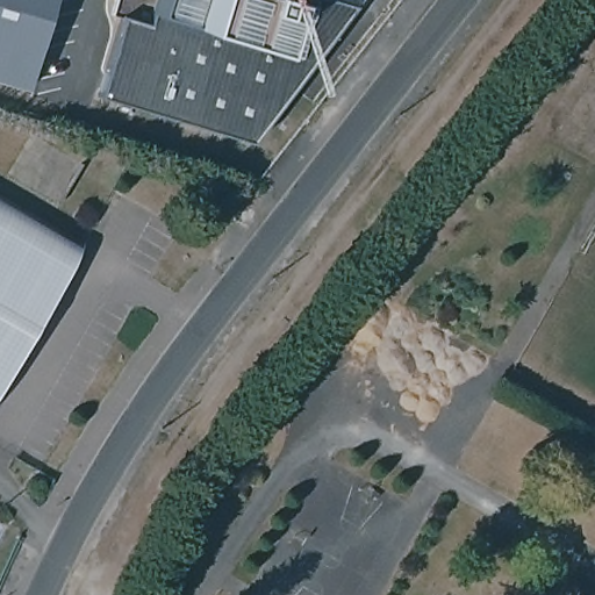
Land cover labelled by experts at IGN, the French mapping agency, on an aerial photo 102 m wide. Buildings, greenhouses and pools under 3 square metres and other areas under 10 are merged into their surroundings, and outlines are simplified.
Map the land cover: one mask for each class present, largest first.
<instances>
[{"label":"impervious surface","instance_id":"1","mask_svg":"<svg viewBox=\"0 0 595 595\"><path fill-rule=\"evenodd\" d=\"M476 0H374V5L367 12L358 9L353 23L328 53H323L321 44L314 46L318 72L304 84L302 91H298V98L288 109H284V121H288V116L295 112L304 95H316V91L325 88L330 105L325 107L321 121L311 128V132L302 130L279 160L267 158L265 151L258 149H251L246 139H239L235 144L230 139H212L207 137L209 130L200 126L184 123L179 128L165 121H156V112L119 105L114 102V93H105V88H98L100 74L109 70L107 65L116 40L121 0H63L58 23L44 63L40 67L33 95L23 98L16 95V91L0 88V109L35 121H49L58 116L86 130H107L112 137H130L137 144L156 146L160 153L202 158L218 167H232L237 172L251 174L253 179L265 174L270 179V188L265 193H258L251 205L239 214V218H232L225 225L221 237L214 239L209 246L212 251L198 267L193 284H186L181 291L174 293L156 281V270L160 267V251L172 237L163 221V214L153 216L139 209L137 205L123 200L121 195H112V200L107 202V212L98 221L95 230L102 235V244L93 258V265L51 339L42 337L37 339L35 349L30 351L23 367L19 370L12 386L0 400V523L14 518L19 528V544L0 579V595H58L67 574H72L77 553L95 516L105 507L109 493L114 490L123 467L151 430L165 402L179 388L186 372L202 356L207 344L214 342L218 330L230 318V314L237 309V304L263 277L267 265L309 221L321 198L335 186L342 172L349 167V163L356 158V153L363 149L365 139L374 132L379 121L388 114L395 100L411 84V79L430 60L435 49L446 40L456 23H460V19ZM146 307L156 311L158 321L137 349L139 353L128 365L123 379L114 386L109 397H105L98 404V411L84 423L86 432L72 460L60 472V479L51 490L44 504H35V500H28L26 495L21 486L14 481L9 467L19 460L21 451L44 463L49 460L51 451L58 444V435L65 425V418L72 416V411L81 402H88L86 395L91 386L86 381L93 374V367L107 358L109 342L119 337L132 309ZM595 232V191L588 198L581 216H576L572 237L565 239L562 249L558 251L542 284L537 286L535 302L523 309L518 323L509 325L504 351L497 358H493L488 370L472 377L469 381L453 386L451 402L439 409L437 418L430 421L425 430L418 425L421 421L416 418V414L407 411L400 404L397 390L390 388L388 379L381 374L379 367L353 372L342 360L337 370L328 374V379L307 397L304 411L298 414L293 423L274 432L272 442L265 446V456L246 460L244 465H230L228 472L232 474V479L225 488V495L216 500V507L207 516H202L205 551L184 576L181 595H388L395 586V579H400L402 560L414 551L418 528L430 521L442 493L456 490L458 500L479 507L486 514L476 523L474 532L481 539L490 542V551L495 555H502L507 560L514 558V549L525 539H539L542 549H558L562 562L567 565V576H562L560 581L569 595H595V553L586 546L579 525H544L537 518L521 514V509L514 504H509L497 493H490L483 483L469 479L460 463L463 449L479 428L486 409L490 407V400L493 386L507 379V367L518 365L523 353L532 349L544 314L553 309V298L562 288L572 256L583 253L588 235ZM353 449L358 456L367 458L386 472L390 469L404 483H411V488L402 493L400 500H395L381 486L370 483L344 469V453H351ZM281 495H286V507L277 511L272 530H267L263 537L270 544V551H256L249 555L253 565H263V576L253 581L249 588H244L237 579V567L244 546L253 539L256 528L265 523L267 511L274 507V502H279Z\"/></svg>","mask_w":595,"mask_h":595},{"label":"herbaceous vegetation","instance_id":"2","mask_svg":"<svg viewBox=\"0 0 595 595\"><path fill-rule=\"evenodd\" d=\"M544 0H476L460 19V23H456L446 40L435 49L430 60L411 79V84L395 100L388 114L379 121L374 132L365 139L363 149L356 153V158L349 163V167L342 172L335 186L321 198L309 221L267 265L263 277L237 304V309L230 314V318L218 330L214 342L207 344L202 356L186 372L179 388L165 402L151 430L123 467L114 490L109 493L105 507L95 516L77 553L72 574H67L58 595H114L116 581L139 542L151 507L163 493L165 476L179 465L186 451L198 446L207 437L218 409L237 390L242 374L258 360V356L265 349H272L288 328H293V323L300 318L318 286L323 284L328 270L335 265V260L353 244V239L360 232L377 223L390 195L404 184L414 165L425 156L428 146L437 139L439 130L453 119L465 98L483 79L490 63L539 12ZM535 174L560 188V195H555L549 205L528 202V186L530 177ZM595 191V40L583 51L581 65L574 70L572 79L558 86L555 93H549L544 98L542 107L525 126V132L509 144L504 158L497 165H493L488 174L474 186V195H469L458 207V212L446 218L442 230L430 225L425 228V235L418 239V249L407 260L402 277L390 279V288L397 291L404 281H409L416 288L421 284H428L430 279H435V274H442L444 270L469 272L479 284H488L493 291L490 309L472 304V314H476V318L486 328L509 325L518 323L523 309L535 302L537 286L542 284L558 251L562 249L565 239L572 237L576 216H581L588 198ZM330 105L325 88L316 91V95H304L295 112L288 116V121H284V116H272V121L258 135V149L265 151L267 158L279 160L302 130L311 132V128L321 121L325 107ZM123 174V170L114 151L102 149L98 151V156H93V160H84L81 153L70 151V144L65 139L51 132L37 130L35 135H26L0 130V202L35 221L37 225L51 230L53 235L63 237L81 251V263L65 295L60 298L53 316L49 318L42 337L51 339L93 265V258L102 244V235L95 230L79 228L74 223V216L79 207L86 202V198H100L102 202H107L112 200V195H121L123 200L137 205L139 209L153 216L163 214V207L181 188L177 184L142 179L130 191H119L116 181ZM191 209H202L205 221L225 225L232 218H239V214L251 205L246 202L242 186L225 179L209 177L207 181L186 186ZM507 379L521 386L523 390L542 397L544 402L553 404L562 414L586 421V432H549L542 423L518 414L516 409L497 400H490V407L486 409L479 428L463 449L460 463L469 479L483 483L490 493H497L509 504H514L518 500V490H523V460L532 449L537 453L565 451L574 456V474H581L586 481L595 483V232L588 235L583 253L572 256L562 288L553 298V309L544 314L532 349L523 353L518 365L507 367ZM212 251L209 246H186L174 242L172 237L160 251V267L156 270V281L174 293L181 291L186 284H193L198 267ZM139 353L137 349H128L126 344H121L119 337L109 342L107 358L93 367V374L86 381L91 386L86 395L88 402H81L72 411V416L65 418V425L58 435V444L51 451L49 460L44 463L21 451L19 460L9 467L14 481L21 486L26 495L33 479L44 481V486L51 490L60 479V472L72 460L86 432L84 423L98 411V404L105 397H109L114 386L123 379L128 365ZM286 507V495H281L279 502H274V507L267 511L265 523L256 528L253 539L263 537L267 530H272L277 511ZM486 514L479 507L458 500L456 509L446 518L442 542L432 546L428 553V567L411 576L404 595H569L560 581L535 593L530 583L521 588L511 586L504 572H495V576L490 579L460 586L456 576H451L449 565L458 546L465 544V539L474 532L476 523ZM586 516L579 525L586 546L595 553V504L583 511ZM19 544V528L14 518L0 523V579Z\"/></svg>","mask_w":595,"mask_h":595},{"label":"deciduous trees","instance_id":"3","mask_svg":"<svg viewBox=\"0 0 595 595\"><path fill-rule=\"evenodd\" d=\"M595 40V0H544L539 12L490 63L483 79L465 98L453 119L439 130L437 139L428 146L425 156L414 165L404 184L390 195L377 223L360 232L353 239V244L335 260V265L328 270L323 284L318 286L300 318L293 323V328H288L272 349H265L258 356V360L242 374L237 390L218 409L207 437L198 446L186 451L179 465L165 476L163 493L151 507L139 542L116 581L114 595H181L184 576L205 551L202 516H207L216 507V500L225 495V488L232 479V474L228 472L230 465H244L246 460L265 456V446L272 442L274 432L293 423L298 414L304 411L307 397L328 379V374L337 370L356 332L377 311L388 307L386 300H390L397 291L390 288V279L402 277L407 260L418 249V239L425 235V228L430 225L442 230L446 218L458 212V207L469 195H474V186L488 174L493 165H497L504 158L509 144L525 132V126L542 107L544 98L549 93H555L558 86L572 79L574 70L581 65L583 51ZM0 130L26 135H35L37 130L51 132L65 139L70 144V151L81 153L84 160H93V156H98V151L102 149L114 151L123 170V174L116 181L119 191H130L142 179L177 184L181 188L163 207V221L172 237L174 242L186 246H209L214 239L221 237L225 225L205 221L202 209H191L186 186L207 181L209 177L225 179L242 186L246 202L251 205L258 193H265L270 188V179L265 174L253 179L251 174L237 172L232 167H218L202 158L160 153L156 146L137 144L130 137H112L107 130H86L58 116L49 121H35L0 109ZM555 195H560V188L535 174L530 177L528 186V202L549 205ZM107 212V202H102L100 198H86V202L79 207L74 216V223L79 228L95 230L98 221ZM493 291L488 284H479L469 272L444 270L442 274H435V279H430L428 284H421L416 288L407 307L414 309L421 321H439V325L451 330L456 339L463 337L467 346H474V353L481 351L490 353L493 358H497L504 351L509 325L486 328L476 318V314H472V304L490 309ZM158 321L156 311L146 307L132 309L119 337L121 344H126L128 349H137ZM490 400H497L516 409L518 414L542 423L549 432H586V421L562 414L553 404L544 402L542 397L523 390L521 386L507 379L493 386ZM344 469L370 483L381 486L395 500H400L402 493L411 488V483H404L390 469L386 472L367 458L358 456L353 449L351 453H344ZM595 504V483L586 481L581 474H574V456L565 451L537 453L532 449L523 460V490H518V500L514 504L521 509V514L537 518L544 525H579L586 516L583 511ZM51 490L44 486V481L33 479L26 495L28 500H35V504H44ZM458 500L456 490L442 493L430 521L418 528L414 551L402 560L400 579H395V586L388 595H404L411 576L428 567V553L432 546L442 542L446 518L456 509ZM451 576H456L460 586L490 579L495 576V572H504L511 586L521 588L530 583L535 593L560 581L562 576H567V565L562 562L558 549H542L539 539H525L514 549V558L507 560L502 555H495L490 551V542L481 539L474 532L465 539V544L458 546L449 565ZM256 551H270V544L263 537L253 539L244 546L237 567V579L244 588H249L253 581L263 576V565H253L249 555Z\"/></svg>","mask_w":595,"mask_h":595},{"label":"building","instance_id":"4","mask_svg":"<svg viewBox=\"0 0 595 595\"><path fill-rule=\"evenodd\" d=\"M63 0H0V88L16 91V95L23 98L33 95L40 67L44 63L58 23ZM374 5V0H121L116 40L107 65L109 70L100 74L98 88H105V93H114V102L119 105L156 112V121H165L179 128L184 123L200 126L209 130L207 137L212 139H230L235 144L239 139H246L251 149H258V135L272 121V116H284V109H288L298 98V91H302L304 84L318 72L314 46L321 44L323 53H328L353 23L358 9L367 12ZM81 263V251L63 237L53 235L51 230L37 225L35 221L0 202V400L12 386L19 370L23 367L30 351L35 349L37 339L42 337L49 318L53 316L60 298L65 295Z\"/></svg>","mask_w":595,"mask_h":595},{"label":"pervious surface","instance_id":"5","mask_svg":"<svg viewBox=\"0 0 595 595\"><path fill-rule=\"evenodd\" d=\"M416 288L409 281H404L397 291L390 300H386L388 307L377 311L356 332L342 360L353 372L379 367L381 374L388 379L390 388L397 390L400 404L407 411L416 414V418L421 421L418 425L425 430L430 421L437 418L439 409L451 402L453 386L469 381L472 377L488 370L493 358L490 353L481 351L474 353V346H467L463 337L456 339L451 330L439 325V321H421L414 309L407 307Z\"/></svg>","mask_w":595,"mask_h":595}]
</instances>
